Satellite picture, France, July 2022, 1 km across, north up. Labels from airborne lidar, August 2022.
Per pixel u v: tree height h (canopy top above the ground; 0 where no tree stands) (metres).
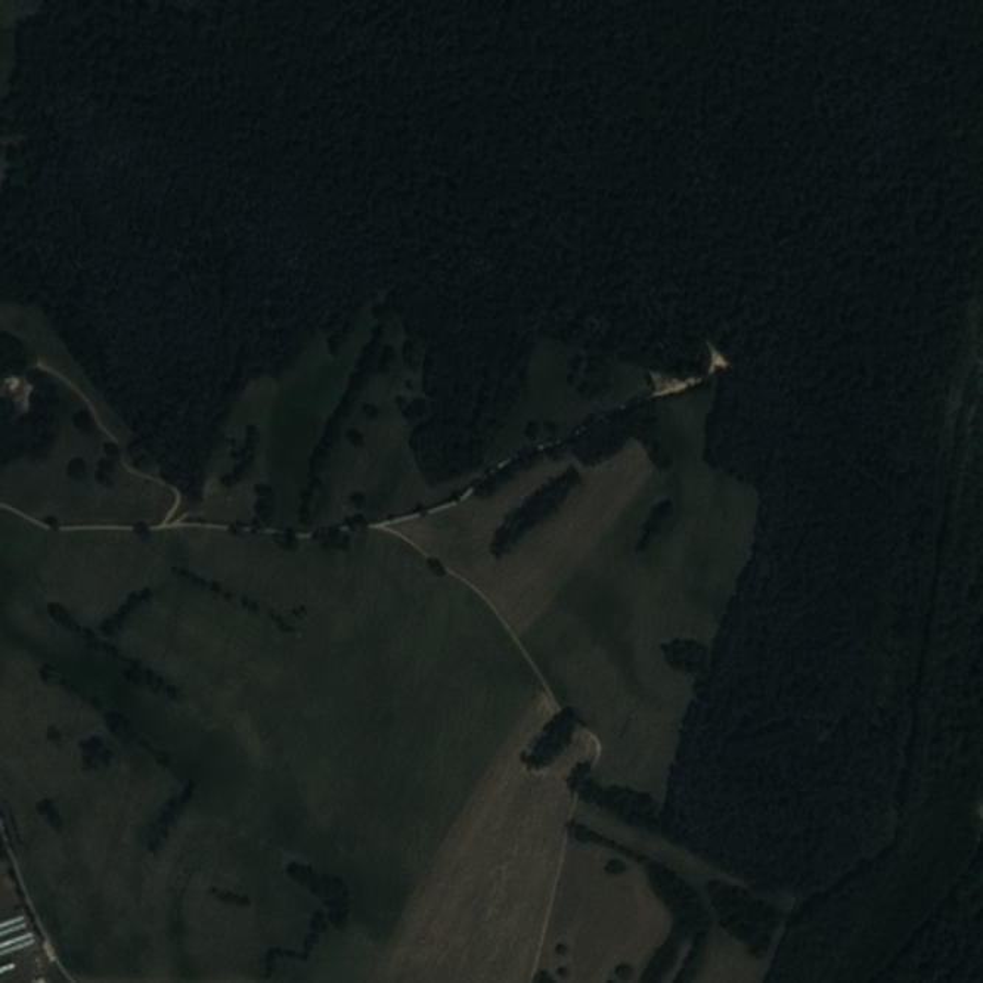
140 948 0
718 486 0
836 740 21
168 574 0
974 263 18
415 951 0
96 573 0
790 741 25
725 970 0
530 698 0
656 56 20
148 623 0
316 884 16
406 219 24
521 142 16
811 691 20
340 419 9
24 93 15
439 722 0
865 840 21
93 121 20
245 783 0
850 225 25
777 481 23
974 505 14
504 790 0
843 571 19
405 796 0
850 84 25
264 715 0
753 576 17
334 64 18
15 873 13
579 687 0
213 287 12
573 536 0
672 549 0
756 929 8
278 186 21
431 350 23
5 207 20
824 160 8
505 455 0
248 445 10
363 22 28
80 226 14
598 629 0
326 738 0
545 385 0
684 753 17
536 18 24
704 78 19
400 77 17
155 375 23
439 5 19
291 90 18
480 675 0
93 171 22
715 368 0
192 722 0
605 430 17
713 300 10
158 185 21
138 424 21
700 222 20
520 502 0
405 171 19
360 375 12
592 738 0
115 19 22
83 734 0
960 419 8
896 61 16
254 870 0
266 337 22
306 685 0
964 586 20
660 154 19
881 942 12
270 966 10
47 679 13
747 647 20
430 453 15
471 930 0
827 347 25
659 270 16
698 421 0
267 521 13
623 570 0
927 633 16
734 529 0
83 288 21
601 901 0
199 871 0
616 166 21
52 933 0
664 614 0
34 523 0
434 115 17
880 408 26
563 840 0
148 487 0
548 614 0
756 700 23
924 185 20
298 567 0
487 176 18
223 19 19
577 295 23
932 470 9
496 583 0
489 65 17
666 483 0
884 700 0
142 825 0
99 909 0
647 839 0
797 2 16
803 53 19
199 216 19
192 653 0
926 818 9
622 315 18
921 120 19
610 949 0
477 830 0
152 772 0
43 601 0
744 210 16
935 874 11
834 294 17
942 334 18
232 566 0
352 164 16
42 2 0
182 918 0
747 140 18
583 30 19
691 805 21
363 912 0
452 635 0
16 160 14
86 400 0
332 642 0
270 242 22
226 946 0
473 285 16
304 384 0
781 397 25
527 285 17
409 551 0
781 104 21
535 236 19
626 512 0
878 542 19
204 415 19
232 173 19
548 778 0
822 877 23
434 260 27
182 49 19
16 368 7
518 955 0
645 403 17
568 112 21
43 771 0
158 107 18
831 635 25
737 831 24
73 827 0
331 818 0
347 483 0
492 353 17
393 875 0
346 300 15
